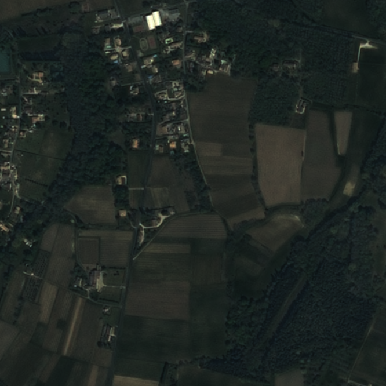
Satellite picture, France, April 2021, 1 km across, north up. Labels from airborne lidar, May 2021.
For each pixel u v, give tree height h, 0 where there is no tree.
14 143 0
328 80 14
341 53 23
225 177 0
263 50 19
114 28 0
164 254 0
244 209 0
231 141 0
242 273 0
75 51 21
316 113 0
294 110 20
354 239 25
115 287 0
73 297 0
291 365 21
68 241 0
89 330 0
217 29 13
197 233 0
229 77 0
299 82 21
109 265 0
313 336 18
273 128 0
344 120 0
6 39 15
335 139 0
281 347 20
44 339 0
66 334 0
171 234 0
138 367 0
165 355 0
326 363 12
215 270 0
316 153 0
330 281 20
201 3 15
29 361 0
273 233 0
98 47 23
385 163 26
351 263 16
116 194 19
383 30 18
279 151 0
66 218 15
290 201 0
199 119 0
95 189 0
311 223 18
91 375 0
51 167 0
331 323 12
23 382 0
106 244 0
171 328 0
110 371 0
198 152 0
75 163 23
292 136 0
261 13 18
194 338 0
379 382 0
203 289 0
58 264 0
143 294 0
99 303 0
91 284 0
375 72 0
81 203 0
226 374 21
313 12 18
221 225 0
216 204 0
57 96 7
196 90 20
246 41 22
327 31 19
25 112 0
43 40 0
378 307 8
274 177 0
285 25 18
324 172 0
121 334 0
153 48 0
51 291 0
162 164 0
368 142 0
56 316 0
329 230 22
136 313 0
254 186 14
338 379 0
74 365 0
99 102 20
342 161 0
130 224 6
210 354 0
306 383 11
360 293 16
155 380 0
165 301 0
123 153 15
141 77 0
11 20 0
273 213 10
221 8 16
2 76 0
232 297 17
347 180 0
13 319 0
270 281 0
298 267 20
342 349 11
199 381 0
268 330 21
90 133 21
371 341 0
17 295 0
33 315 0
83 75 25
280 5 21
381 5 14
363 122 0
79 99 27
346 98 21
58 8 0
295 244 7
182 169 7
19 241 25
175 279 0
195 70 12
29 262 14
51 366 0
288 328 19
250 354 12
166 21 9
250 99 0
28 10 0
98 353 0
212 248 0
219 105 0
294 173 0
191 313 0
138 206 0
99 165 26
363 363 0
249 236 10
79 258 0
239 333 25
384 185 24
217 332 0
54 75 14
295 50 18
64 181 21
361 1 0
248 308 11
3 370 0
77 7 13
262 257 0
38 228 0
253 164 0
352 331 17
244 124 0
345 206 0
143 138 7
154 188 0
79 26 12
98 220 0
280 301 18
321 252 22
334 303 19
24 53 0
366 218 21
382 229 0
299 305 20
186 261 0
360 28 0
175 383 6
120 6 0
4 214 0
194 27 12
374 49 0
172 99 0
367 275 17
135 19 0
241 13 21
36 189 0
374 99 0
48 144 0
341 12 0
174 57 17
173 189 0
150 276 0
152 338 0
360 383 0
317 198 0
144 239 0
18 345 0
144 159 0
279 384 0
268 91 15
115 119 17
